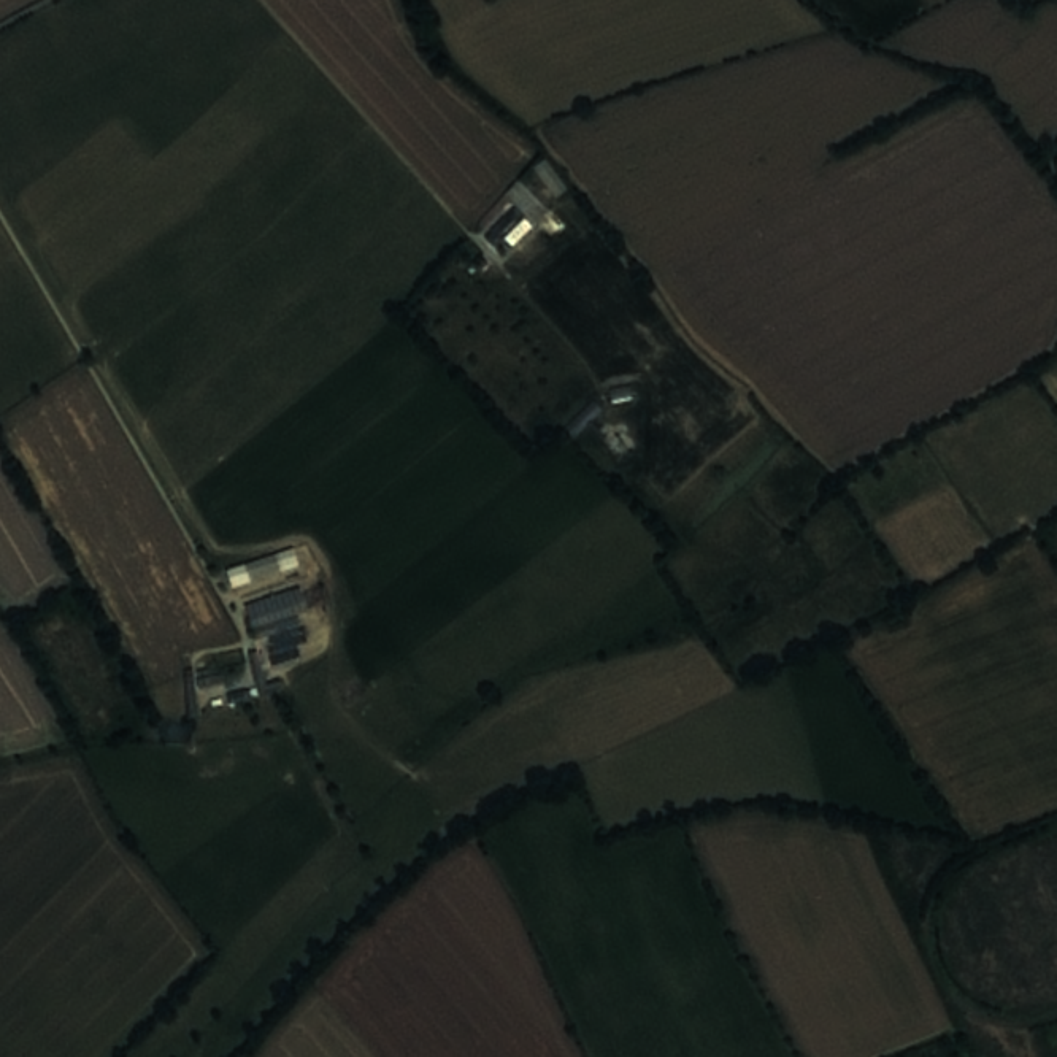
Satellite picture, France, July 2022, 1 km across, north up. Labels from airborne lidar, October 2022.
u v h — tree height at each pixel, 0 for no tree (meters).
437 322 6
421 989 0
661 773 0
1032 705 0
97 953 0
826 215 0
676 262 0
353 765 0
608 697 0
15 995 0
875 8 0
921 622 0
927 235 0
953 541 0
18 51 0
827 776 0
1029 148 13
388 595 0
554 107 0
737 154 0
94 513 0
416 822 0
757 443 0
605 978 0
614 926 0
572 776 20
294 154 0
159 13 0
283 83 0
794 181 0
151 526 0
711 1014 0
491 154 0
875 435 0
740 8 0
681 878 0
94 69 0
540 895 0
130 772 0
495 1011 0
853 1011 0
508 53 0
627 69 0
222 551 0
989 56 0
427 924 0
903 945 0
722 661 8
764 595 0
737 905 0
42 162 0
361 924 8
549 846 0
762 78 0
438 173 0
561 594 0
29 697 0
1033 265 0
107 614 20
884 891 0
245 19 0
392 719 0
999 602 0
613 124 0
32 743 0
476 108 0
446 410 0
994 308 0
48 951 0
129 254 0
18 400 0
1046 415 0
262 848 0
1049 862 0
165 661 0
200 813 0
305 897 0
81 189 0
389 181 0
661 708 0
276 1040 0
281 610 0
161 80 0
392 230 0
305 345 0
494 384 0
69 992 0
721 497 0
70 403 0
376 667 0
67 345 0
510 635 0
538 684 0
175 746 0
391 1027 0
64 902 0
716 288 0
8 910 0
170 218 0
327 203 0
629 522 0
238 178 0
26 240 0
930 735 0
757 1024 0
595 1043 0
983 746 0
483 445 0
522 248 0
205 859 0
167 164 0
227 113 0
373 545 0
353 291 0
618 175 0
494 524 0
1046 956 0
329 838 0
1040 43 0
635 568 0
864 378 0
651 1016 0
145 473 0
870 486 0
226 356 0
